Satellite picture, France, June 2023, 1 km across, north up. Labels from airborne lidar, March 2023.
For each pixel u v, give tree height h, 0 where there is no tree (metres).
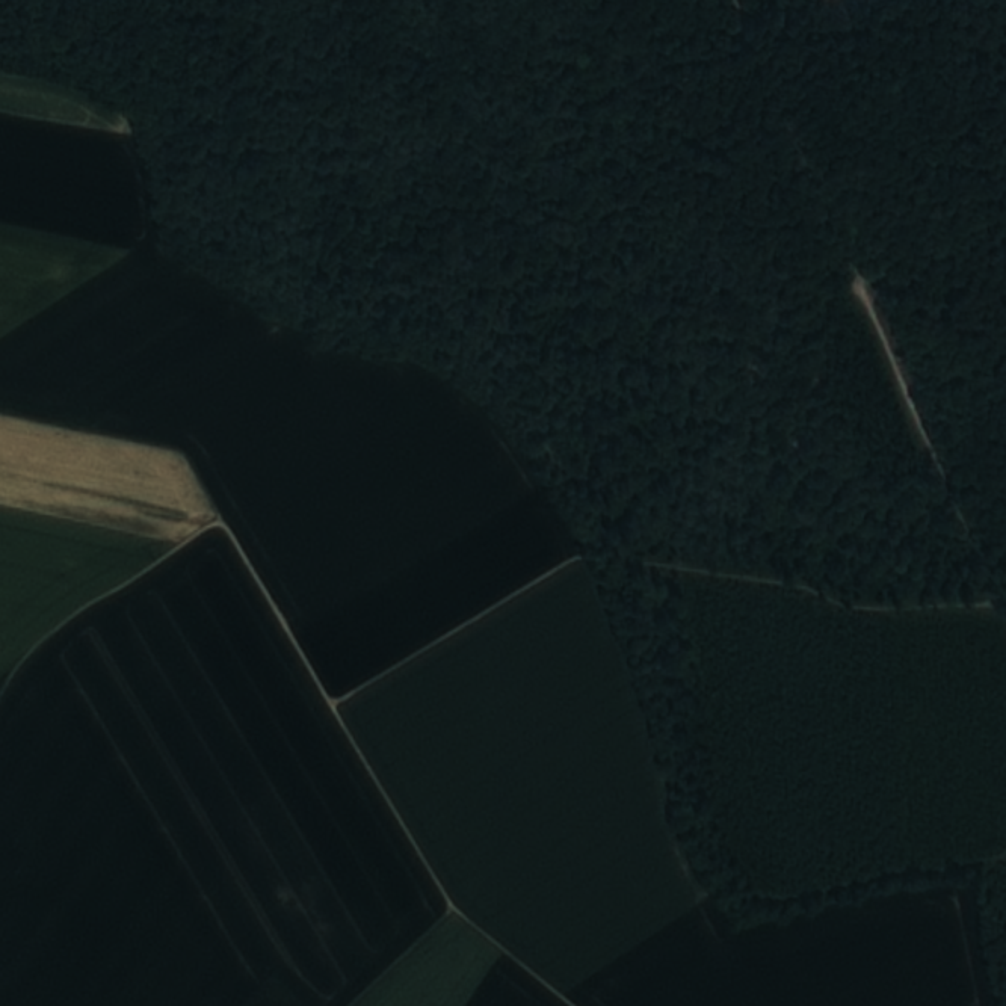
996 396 25
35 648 0
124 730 0
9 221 0
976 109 27
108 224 0
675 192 26
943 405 27
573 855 0
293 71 27
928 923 0
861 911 0
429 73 27
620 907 0
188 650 0
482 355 25
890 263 24
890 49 27
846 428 25
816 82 25
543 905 0
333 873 0
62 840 0
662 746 16
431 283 7
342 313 22
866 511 26
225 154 27
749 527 22
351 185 31
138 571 0
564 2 28
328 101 15
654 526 21
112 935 0
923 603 18
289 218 29
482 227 28
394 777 0
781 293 28
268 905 0
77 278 0
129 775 0
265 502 0
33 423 0
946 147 27
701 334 16
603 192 27
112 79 25
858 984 0
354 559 0
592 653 0
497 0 27
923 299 25
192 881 0
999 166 24
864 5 26
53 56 18
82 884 0
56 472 0
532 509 0
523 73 15
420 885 0
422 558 0
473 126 26
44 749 0
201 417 0
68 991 0
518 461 0
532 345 18
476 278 12
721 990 0
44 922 0
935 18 27
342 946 0
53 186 0
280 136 27
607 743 0
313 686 0
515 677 0
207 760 0
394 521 0
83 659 0
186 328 0
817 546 26
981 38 19
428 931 0
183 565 0
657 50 31
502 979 0
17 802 0
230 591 0
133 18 26
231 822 0
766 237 25
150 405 0
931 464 22
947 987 0
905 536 8
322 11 23
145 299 0
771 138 25
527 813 0
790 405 25
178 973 0
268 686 0
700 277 26
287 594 0
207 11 15
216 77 19
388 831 0
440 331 26
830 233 28
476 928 0
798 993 0
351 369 0
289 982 0
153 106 21
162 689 0
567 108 26
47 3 26
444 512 0
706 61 28
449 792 0
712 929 0
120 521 0
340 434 0
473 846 0
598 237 26
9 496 0
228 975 0
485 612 0
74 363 0
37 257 0
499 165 23
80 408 0
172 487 0
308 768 0
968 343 22
